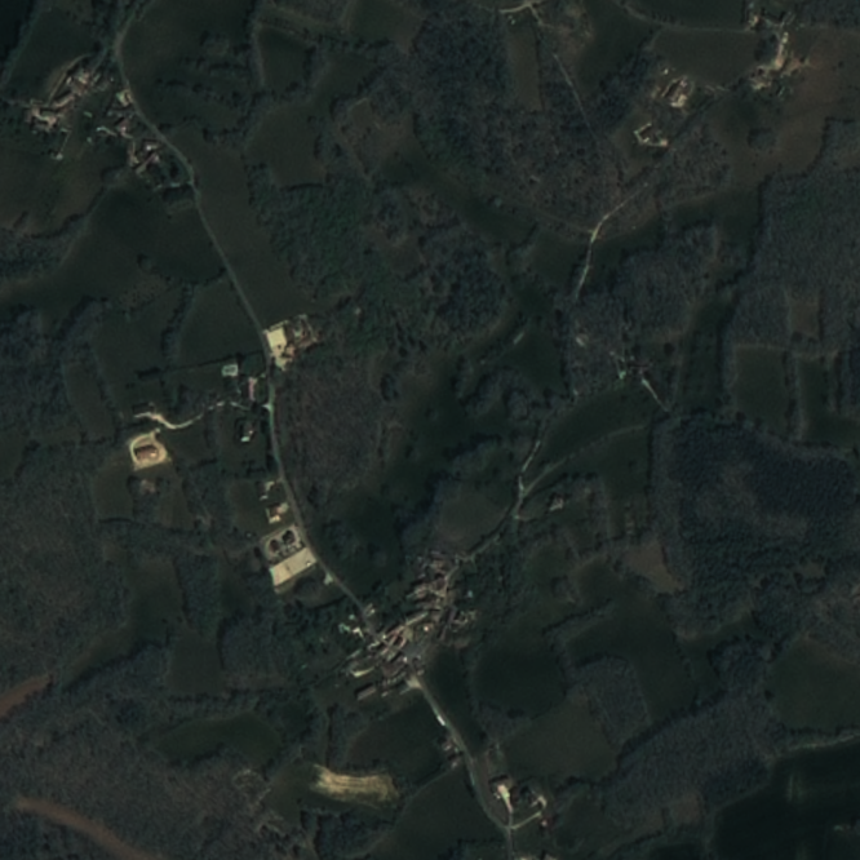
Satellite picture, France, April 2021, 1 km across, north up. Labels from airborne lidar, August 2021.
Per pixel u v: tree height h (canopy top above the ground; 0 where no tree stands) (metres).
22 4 0
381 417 24
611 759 0
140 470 0
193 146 0
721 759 22
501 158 12
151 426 11
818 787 0
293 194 18
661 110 14
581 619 8
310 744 14
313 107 0
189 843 19
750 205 0
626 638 0
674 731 22
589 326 19
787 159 0
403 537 19
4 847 15
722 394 14
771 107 9
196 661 0
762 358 0
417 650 0
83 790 11
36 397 15
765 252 17
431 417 10
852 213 13
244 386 0
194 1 0
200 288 8
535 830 0
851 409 20
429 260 16
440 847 0
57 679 13
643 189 14
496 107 11
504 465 0
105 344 0
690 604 19
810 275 17
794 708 0
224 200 0
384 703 0
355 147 9
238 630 18
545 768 0
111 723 15
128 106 7
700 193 12
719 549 24
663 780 20
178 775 18
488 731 12
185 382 0
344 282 16
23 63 0
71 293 0
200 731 0
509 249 6
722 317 0
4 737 12
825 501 20
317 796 0
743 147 0
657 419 7
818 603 19
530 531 11
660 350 0
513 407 22
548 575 0
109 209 0
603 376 19
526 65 0
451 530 0
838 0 12
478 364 0
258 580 14
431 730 0
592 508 15
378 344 16
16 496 17
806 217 20
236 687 10
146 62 0
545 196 7
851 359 19
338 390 18
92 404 0
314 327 17
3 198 0
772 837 0
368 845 17
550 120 13
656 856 0
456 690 0
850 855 0
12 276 16
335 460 19
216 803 13
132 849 6
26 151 0
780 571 19
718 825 0
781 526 21
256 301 0
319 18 20
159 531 15
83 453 10
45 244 19
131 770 15
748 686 16
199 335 0
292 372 14
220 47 18
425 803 0
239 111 9
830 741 11
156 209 0
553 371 0
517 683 0
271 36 0
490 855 0
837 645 16
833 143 14
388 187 12
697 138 13
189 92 16
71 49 0
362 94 13
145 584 0
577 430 0
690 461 19
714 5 0
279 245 8
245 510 0
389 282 19
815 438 0
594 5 0
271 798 0
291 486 12
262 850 14
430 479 0
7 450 0
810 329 0
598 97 10
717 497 21
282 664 16
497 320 23
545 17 9
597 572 0
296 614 8
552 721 0
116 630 14
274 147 0
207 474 16
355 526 0
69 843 19
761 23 9
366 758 0
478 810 0
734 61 0
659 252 14
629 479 0
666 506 23
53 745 11
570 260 0
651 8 0
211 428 12
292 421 13
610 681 18
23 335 18
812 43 0
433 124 20
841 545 20
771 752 19
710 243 18
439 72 18
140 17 9
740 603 18
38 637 14
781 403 0
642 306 19
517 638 0
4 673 14
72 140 0
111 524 12
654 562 0
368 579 0
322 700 0
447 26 15
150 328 0
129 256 0
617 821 16
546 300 7
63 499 18
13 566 15
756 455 20
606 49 0
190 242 0
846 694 0
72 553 15
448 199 0
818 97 0
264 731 0
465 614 14
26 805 0
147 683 17
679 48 0
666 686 0
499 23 13
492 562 10
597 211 12
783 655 17
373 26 0
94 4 9
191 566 17
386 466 7
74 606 14
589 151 7
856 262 15
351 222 16
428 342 6
